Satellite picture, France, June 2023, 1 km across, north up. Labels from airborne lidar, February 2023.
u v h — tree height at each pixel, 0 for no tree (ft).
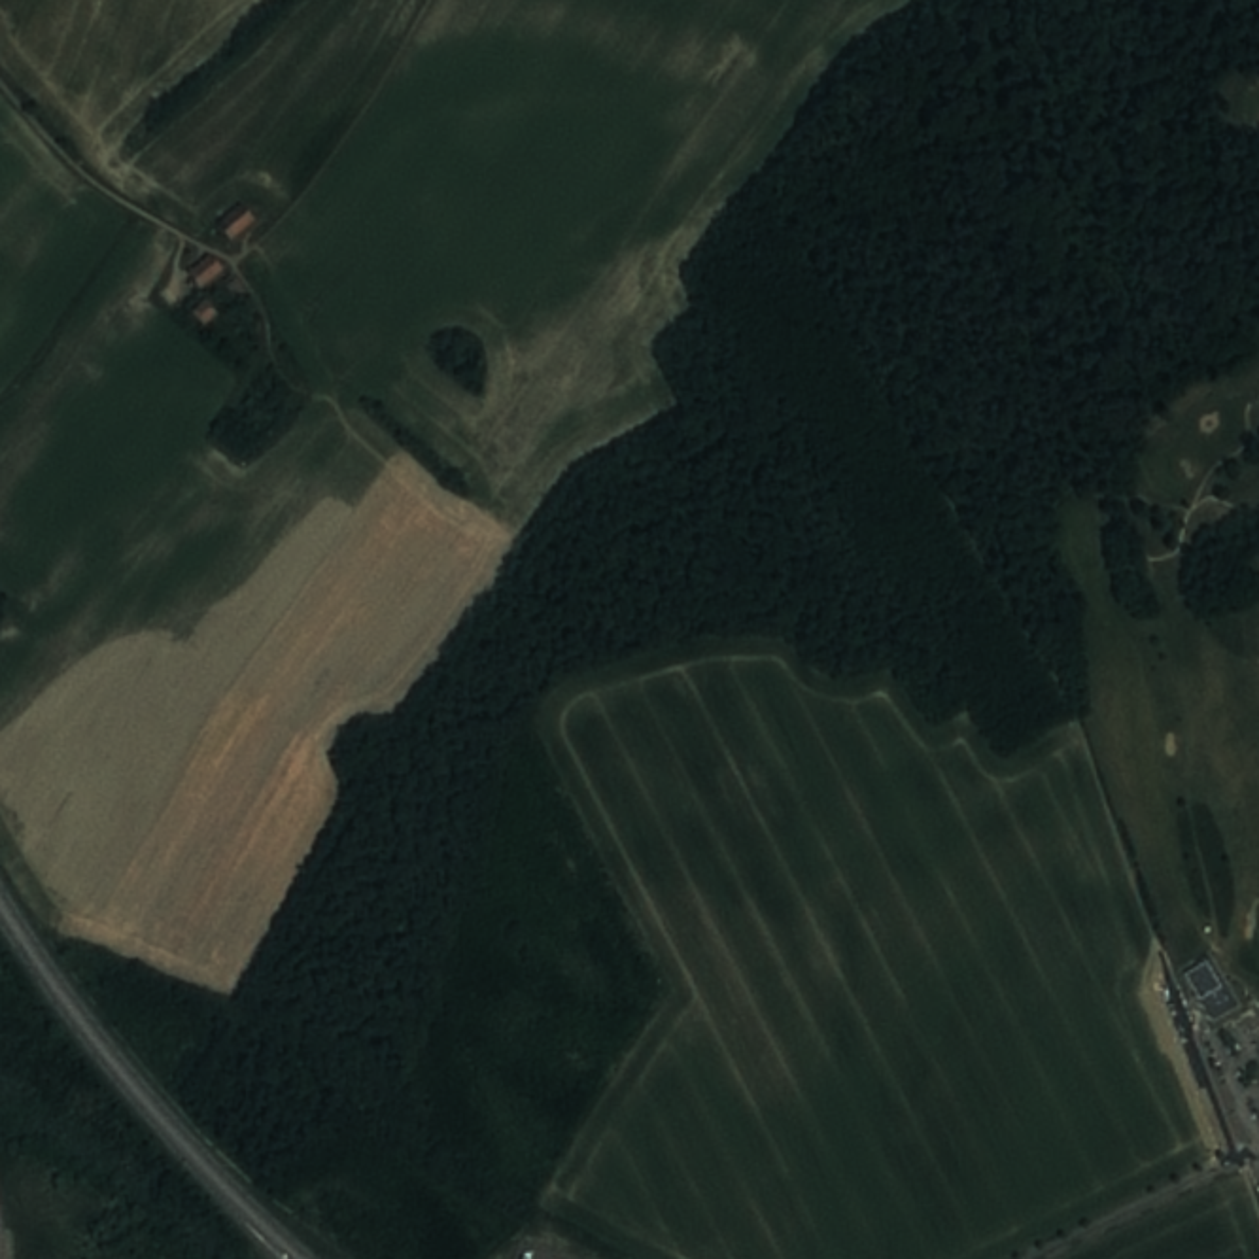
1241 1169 0
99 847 0
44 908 0
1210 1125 0
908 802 0
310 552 0
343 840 36
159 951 0
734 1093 0
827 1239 0
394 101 0
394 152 0
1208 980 0
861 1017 0
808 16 0
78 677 0
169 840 0
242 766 0
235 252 0
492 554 0
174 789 0
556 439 0
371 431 0
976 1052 0
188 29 0
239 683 0
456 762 64
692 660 0
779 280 43
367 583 0
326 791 0
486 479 0
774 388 42
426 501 0
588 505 49
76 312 0
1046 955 0
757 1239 0
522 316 0
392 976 65
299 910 46
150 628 0
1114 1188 0
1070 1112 0
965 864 0
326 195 0
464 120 0
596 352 0
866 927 0
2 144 0
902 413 69
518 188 0
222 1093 64
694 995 0
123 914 0
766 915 0
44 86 0
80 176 0
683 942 0
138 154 0
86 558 0
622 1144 0
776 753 0
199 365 0
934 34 102
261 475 0
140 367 0
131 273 0
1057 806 0
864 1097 0
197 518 0
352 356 0
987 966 0
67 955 29
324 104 0
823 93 42
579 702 0
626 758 0
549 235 0
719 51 0
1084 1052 0
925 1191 0
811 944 0
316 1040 64
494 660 53
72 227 0
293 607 0
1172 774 0
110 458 0
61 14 0
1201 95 49
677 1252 0
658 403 0
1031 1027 0
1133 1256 0
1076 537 0
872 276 83
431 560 0
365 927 69
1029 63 134
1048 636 68
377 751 48
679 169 0
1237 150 60
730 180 0
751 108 0
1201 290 108
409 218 0
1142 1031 0
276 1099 70
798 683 0
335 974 60
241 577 0
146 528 0
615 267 0
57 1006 0
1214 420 0
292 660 0
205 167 0
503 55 0
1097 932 0
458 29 0
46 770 0
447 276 0
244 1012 57
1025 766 0
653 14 0
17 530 0
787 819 0
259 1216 0
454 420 0
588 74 0
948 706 48
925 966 0
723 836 0
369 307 0
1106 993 0
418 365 0
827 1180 0
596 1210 0
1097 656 0
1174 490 0
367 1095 58
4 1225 0
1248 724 0
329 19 0
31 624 0
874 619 49
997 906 0
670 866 0
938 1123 0
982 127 87
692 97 0
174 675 0
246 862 0
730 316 40
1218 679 0
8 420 0
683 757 0
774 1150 0
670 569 69
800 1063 0
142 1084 0
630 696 0
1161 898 0
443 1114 25
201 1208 44
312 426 0
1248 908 0
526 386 0
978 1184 0
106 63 0
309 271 0
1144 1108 0
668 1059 0
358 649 0
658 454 69
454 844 62
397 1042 67
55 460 0
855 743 0
